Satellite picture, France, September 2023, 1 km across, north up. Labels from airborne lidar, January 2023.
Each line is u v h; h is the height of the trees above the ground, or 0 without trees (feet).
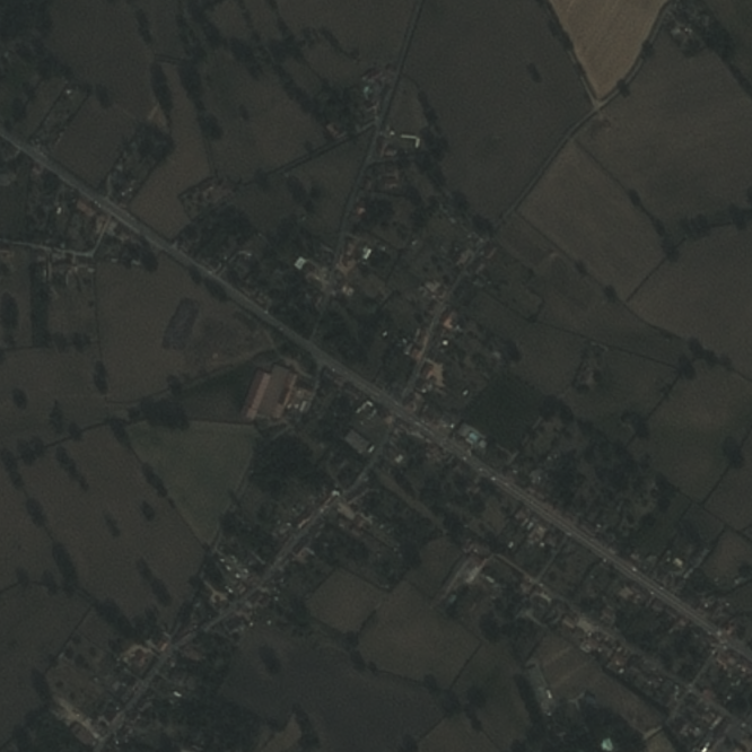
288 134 0
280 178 0
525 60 0
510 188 0
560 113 0
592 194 0
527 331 0
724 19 0
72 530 0
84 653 0
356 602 0
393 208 36
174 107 0
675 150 0
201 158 0
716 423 0
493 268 0
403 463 0
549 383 0
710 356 37
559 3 0
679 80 0
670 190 0
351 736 0
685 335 0
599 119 0
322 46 0
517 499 0
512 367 0
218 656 43
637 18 0
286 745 0
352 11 0
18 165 44
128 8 0
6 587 0
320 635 0
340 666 0
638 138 0
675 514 0
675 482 0
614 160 0
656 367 0
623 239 0
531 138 0
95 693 0
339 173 0
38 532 0
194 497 0
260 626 0
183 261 0
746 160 0
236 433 0
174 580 0
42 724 22
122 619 59
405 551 54
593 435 24
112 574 0
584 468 0
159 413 55
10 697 0
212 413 0
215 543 0
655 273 0
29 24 39
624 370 0
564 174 0
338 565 29
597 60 0
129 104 0
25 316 0
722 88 0
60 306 0
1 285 0
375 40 0
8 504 0
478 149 0
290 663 0
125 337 0
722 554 0
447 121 0
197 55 46
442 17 0
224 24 0
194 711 47
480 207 0
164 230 0
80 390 0
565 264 0
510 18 0
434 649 0
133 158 0
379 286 0
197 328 0
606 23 0
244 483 0
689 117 0
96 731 0
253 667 0
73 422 0
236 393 0
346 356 71
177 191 0
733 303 0
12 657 0
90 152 0
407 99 0
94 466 0
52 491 0
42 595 0
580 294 0
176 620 0
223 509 0
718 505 0
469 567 0
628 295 0
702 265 0
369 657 0
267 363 0
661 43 0
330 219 0
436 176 54
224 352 0
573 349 0
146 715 20
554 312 0
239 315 0
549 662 0
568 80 0
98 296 0
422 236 0
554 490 20
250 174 0
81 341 41
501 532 0
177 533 0
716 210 0
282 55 48
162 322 0
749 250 0
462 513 0
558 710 20
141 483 0
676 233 0
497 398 0
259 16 0
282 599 0
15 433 0
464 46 0
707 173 0
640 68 0
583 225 0
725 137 0
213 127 57
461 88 0
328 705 0
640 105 0
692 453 0
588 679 0
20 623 0
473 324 0
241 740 58
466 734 0
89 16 0
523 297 0
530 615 0
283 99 0
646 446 0
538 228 0
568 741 58
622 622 40
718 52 20
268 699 0
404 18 0
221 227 28
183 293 0
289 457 60
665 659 58
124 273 0
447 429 0
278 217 0
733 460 73
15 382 0
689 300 0
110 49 0
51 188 32
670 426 0
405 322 0
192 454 0
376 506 34
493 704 0
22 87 0
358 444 0
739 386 0
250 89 0
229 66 0
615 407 0
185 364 0
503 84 0
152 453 0
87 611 0
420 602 0
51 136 0
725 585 0
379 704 0
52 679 0
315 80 0
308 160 0
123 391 0
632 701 0
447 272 0
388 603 0
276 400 0
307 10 0
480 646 0
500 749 0
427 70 0
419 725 0
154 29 0
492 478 0
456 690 0
